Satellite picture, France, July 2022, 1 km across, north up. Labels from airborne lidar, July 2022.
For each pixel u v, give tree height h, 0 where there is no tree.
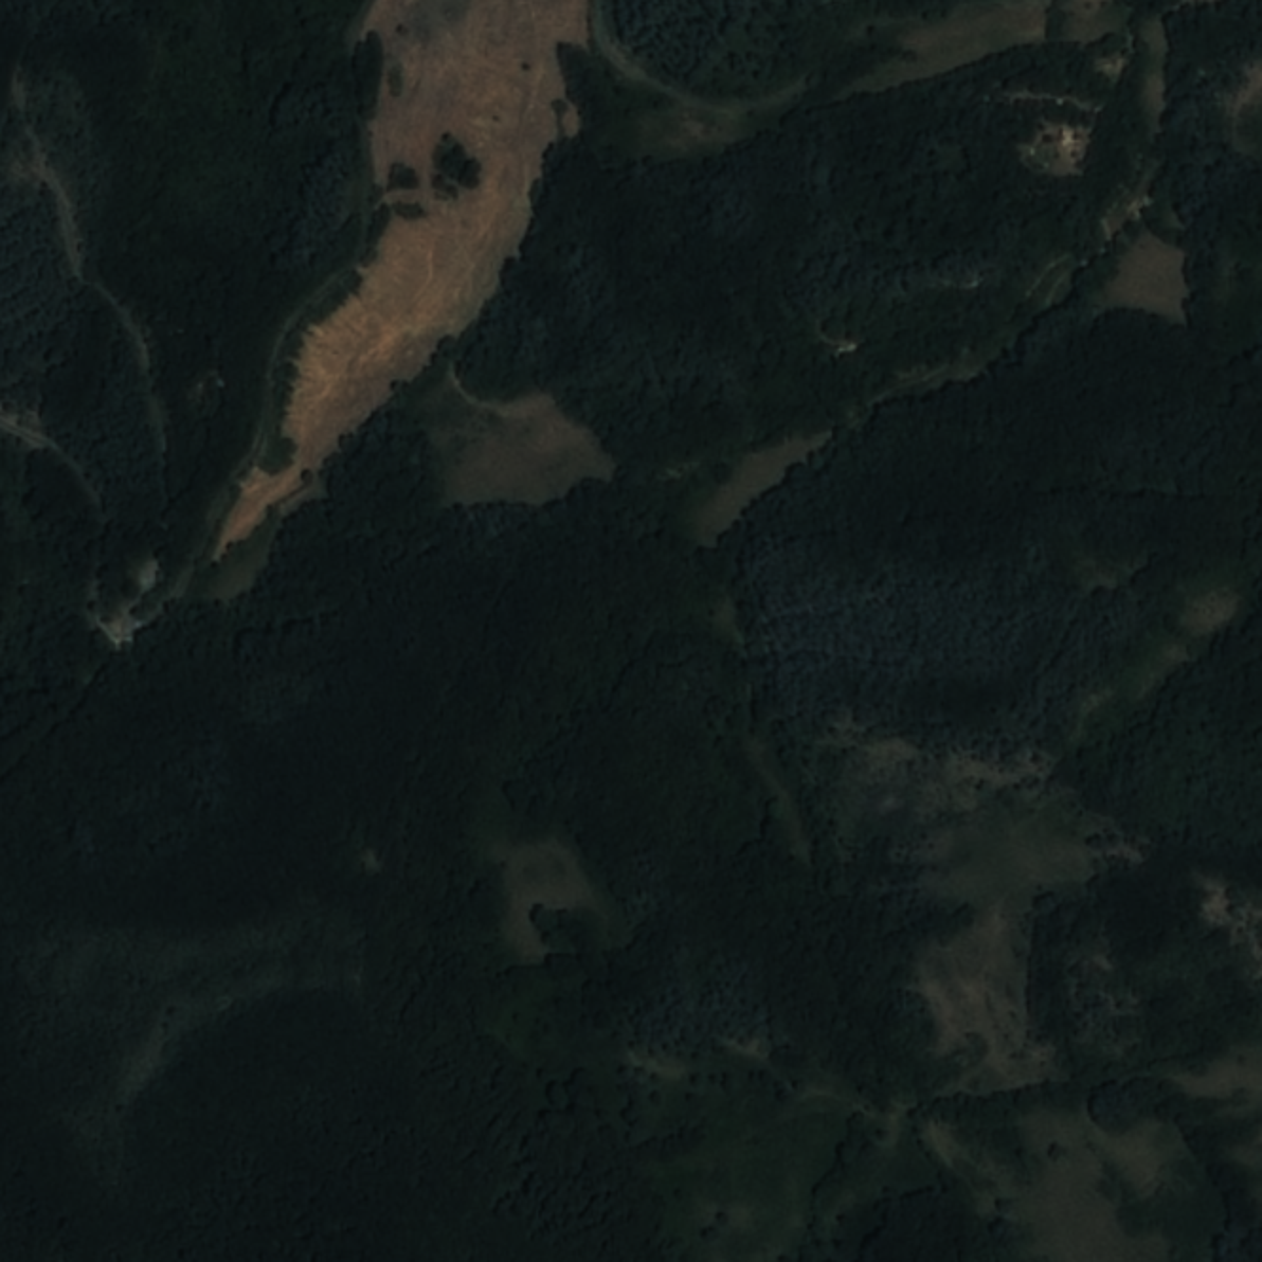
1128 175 9
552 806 20
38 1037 10
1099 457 21
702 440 19
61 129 7
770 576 20
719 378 26
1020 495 23
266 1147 16
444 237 0
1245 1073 0
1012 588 18
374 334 0
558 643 15
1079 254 16
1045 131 8
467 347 7
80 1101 9
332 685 11
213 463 17
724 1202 0
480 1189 29
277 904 13
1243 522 8
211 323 12
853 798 0
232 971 6
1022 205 7
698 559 18
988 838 0
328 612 15
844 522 18
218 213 6
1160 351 25
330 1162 15
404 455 19
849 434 17
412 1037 21
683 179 15
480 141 0
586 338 9
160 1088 9
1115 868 7
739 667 10
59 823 9
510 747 7
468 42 0
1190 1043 10
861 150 13
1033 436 23
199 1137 14
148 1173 12
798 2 16
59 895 19
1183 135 10
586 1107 22
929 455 21
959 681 12
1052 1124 0
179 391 11
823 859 8
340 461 13
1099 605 10
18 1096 15
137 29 21
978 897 0
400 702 15
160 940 5
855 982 13
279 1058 11
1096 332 19
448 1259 24
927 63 0
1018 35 0
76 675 17
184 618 17
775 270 17
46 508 20
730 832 6
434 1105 22
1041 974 9
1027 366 30
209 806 12
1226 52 9
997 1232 18
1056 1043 9
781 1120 0
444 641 18
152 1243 14
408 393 17
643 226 20
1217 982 15
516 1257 23
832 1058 12
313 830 14
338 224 22
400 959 18
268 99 14
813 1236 8
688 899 19
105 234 14
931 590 15
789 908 23
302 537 20
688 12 22
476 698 18
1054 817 0
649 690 21
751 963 18
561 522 18
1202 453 18
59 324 9
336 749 16
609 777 22
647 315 17
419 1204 20
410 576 23
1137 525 23
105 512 11
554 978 14
